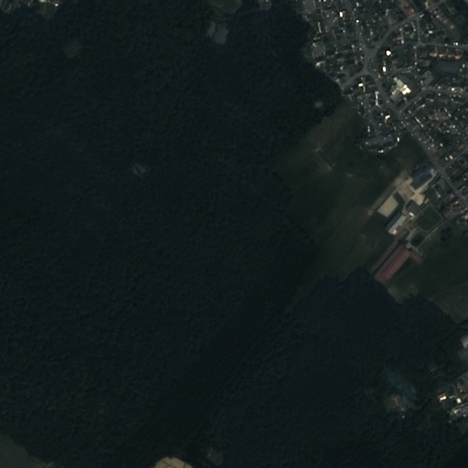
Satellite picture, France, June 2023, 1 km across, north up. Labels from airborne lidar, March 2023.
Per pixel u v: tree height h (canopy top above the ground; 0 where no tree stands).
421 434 19
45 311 25
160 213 22
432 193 0
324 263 0
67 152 21
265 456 30
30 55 28
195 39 21
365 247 0
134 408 23
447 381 18
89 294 21
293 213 0
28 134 21
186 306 16
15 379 18
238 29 22
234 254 26
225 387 13
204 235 30
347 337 33
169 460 0
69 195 20
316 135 0
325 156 0
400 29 0
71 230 22
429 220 0
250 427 28
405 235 0
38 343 22
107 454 22
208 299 19
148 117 27
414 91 0
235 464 27
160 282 23
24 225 21
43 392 25
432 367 0
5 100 23
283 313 13
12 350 28
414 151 0
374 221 0
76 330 22
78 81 24
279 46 16
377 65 0
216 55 18
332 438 31
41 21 25
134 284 23
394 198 0
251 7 14
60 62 19
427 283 0
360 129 0
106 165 23
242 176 26
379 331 33
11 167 21
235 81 27
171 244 34
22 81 30
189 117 20
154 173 20
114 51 23
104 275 22
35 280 26
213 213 34
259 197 34
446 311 0
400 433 15
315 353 35
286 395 35
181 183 21
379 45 0
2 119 24
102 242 22
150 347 18
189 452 0
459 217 0
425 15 11
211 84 22
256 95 28
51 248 26
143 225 21
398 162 0
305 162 0
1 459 0
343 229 0
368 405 19
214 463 0
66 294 17
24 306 21
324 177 0
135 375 22
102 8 25
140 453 15
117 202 21
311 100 14
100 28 27
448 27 0
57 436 21
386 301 37
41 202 24
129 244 22
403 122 0
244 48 19
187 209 30
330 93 15
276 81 30
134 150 17
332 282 29
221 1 0
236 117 18
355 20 0
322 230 0
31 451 21
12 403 23
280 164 0
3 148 22
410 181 0
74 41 28
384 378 17
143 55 29
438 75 0
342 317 33
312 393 35
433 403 7
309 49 0
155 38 26
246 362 10
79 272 25
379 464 30
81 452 26
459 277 0
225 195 34
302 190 0
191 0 19
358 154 0
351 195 0
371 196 0
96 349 30
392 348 29
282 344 20
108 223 21
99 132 23
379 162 0
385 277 0
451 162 0
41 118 21
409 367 30
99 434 21
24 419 23
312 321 32
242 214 30
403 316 31
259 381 23
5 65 32
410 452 16
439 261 0
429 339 29
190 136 21
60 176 17
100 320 24
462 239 0
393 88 0
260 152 18
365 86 0
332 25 0
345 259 0
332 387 35
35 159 22
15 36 27
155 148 23
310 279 0
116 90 24
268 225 33
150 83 28
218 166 23
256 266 20
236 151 28
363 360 33
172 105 26
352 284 24
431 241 0
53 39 25
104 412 22
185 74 20
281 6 15
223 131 24
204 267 24
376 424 20
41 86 22
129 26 26
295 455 28
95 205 21
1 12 16
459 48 0
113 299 24
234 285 19
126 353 24
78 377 22
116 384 20
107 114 23
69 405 22
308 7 0
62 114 23
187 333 18
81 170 21
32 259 22
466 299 0
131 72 24
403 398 0
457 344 0
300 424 32
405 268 0
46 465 0
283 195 28
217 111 23
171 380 21
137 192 19
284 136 15
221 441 22
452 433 19
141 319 21
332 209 0
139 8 26
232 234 25
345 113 0
